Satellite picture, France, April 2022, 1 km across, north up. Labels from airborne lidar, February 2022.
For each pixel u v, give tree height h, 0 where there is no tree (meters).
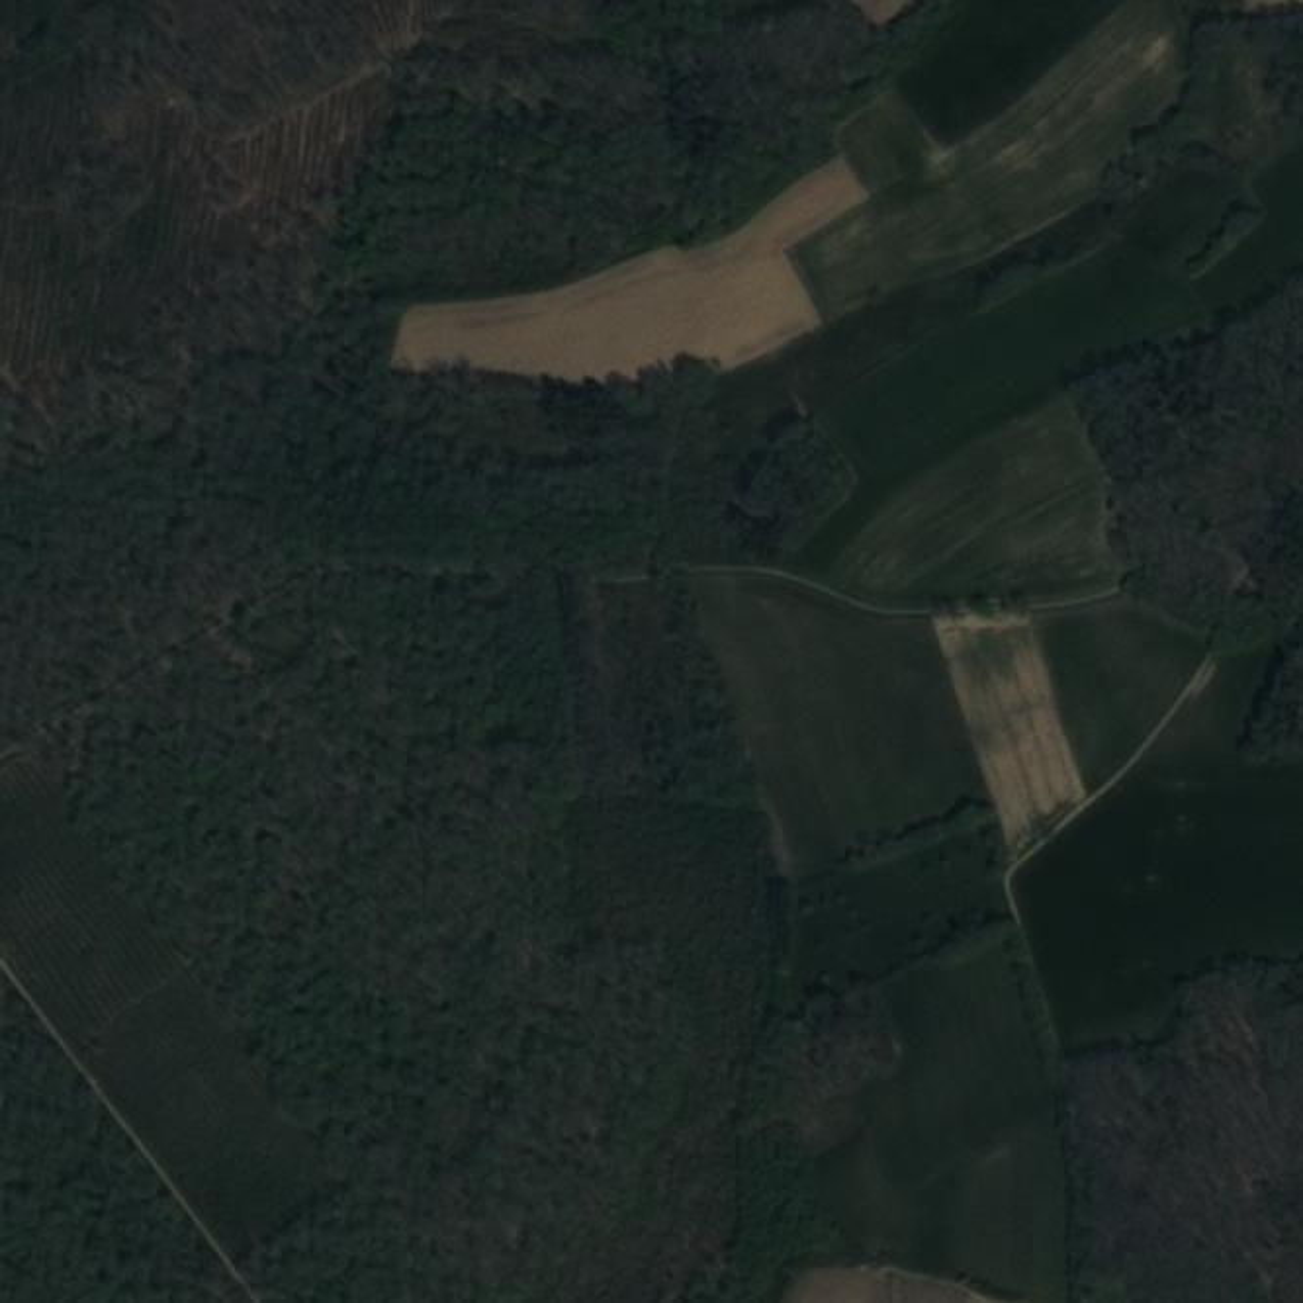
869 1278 0
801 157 22
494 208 28
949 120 0
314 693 26
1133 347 0
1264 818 0
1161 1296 32
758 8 0
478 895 33
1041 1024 21
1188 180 0
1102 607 0
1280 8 0
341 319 20
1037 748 0
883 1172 0
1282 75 19
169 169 7
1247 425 32
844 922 0
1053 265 19
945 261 0
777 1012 17
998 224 0
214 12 25
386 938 27
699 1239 13
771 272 0
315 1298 26
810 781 0
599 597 29
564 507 29
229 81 30
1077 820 0
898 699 0
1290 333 24
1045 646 0
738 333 0
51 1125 30
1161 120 0
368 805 32
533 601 27
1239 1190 0
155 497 22
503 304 0
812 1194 17
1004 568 0
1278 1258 32
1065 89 0
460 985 26
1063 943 0
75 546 28
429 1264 26
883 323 0
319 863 22
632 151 35
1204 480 29
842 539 0
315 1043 23
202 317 29
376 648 27
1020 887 0
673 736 24
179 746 25
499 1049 30
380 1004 23
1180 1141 21
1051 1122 0
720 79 31
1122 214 8
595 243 29
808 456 29
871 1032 25
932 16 20
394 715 27
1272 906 0
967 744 0
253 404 28
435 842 27
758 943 6
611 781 28
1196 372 19
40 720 25
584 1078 29
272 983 27
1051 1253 0
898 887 0
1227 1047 33
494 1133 27
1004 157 0
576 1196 27
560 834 27
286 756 24
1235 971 19
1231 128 0
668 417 22
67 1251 27
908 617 0
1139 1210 32
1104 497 0
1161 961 0
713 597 0
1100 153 0
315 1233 21
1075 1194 10
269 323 29
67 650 22
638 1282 11
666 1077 26
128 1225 24
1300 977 16
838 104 24
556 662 26
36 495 27
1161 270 0
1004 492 0
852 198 0
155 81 31
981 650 0
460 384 29
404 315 27
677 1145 12
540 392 15
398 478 25
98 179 29
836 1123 0
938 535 0
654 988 28
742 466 0
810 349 0
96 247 18
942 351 0
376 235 30
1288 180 0
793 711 0
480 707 27
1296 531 24
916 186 0
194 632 22
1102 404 29
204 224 6
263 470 28
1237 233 14
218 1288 28
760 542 25
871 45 29
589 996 31
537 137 29
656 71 33
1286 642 0
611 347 0
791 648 0
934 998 0
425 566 27
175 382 28
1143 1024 0
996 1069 0
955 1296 0
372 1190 26
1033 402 0
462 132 28
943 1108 0
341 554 26
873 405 0
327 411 21
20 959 7
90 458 23
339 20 23
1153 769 0
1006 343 0
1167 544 30
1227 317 0
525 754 30
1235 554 17
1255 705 0
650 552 30
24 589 30
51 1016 0
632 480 28
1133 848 0
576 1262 27
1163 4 0
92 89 28
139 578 23
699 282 0
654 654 0
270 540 26
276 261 27
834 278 0
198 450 21
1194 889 0
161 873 26
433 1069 25
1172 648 0
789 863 0
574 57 12
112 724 27
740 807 24
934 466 0
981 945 23
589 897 11
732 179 31
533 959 29
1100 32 0
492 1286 30
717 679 12
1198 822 0
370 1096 28
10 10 8
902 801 0
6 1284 24
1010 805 0
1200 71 13
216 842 24
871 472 0
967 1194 0
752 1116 26
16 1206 26
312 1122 27
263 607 23
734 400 0
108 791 24
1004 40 0
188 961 26
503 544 29
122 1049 7
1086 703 0
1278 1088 35
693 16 25
